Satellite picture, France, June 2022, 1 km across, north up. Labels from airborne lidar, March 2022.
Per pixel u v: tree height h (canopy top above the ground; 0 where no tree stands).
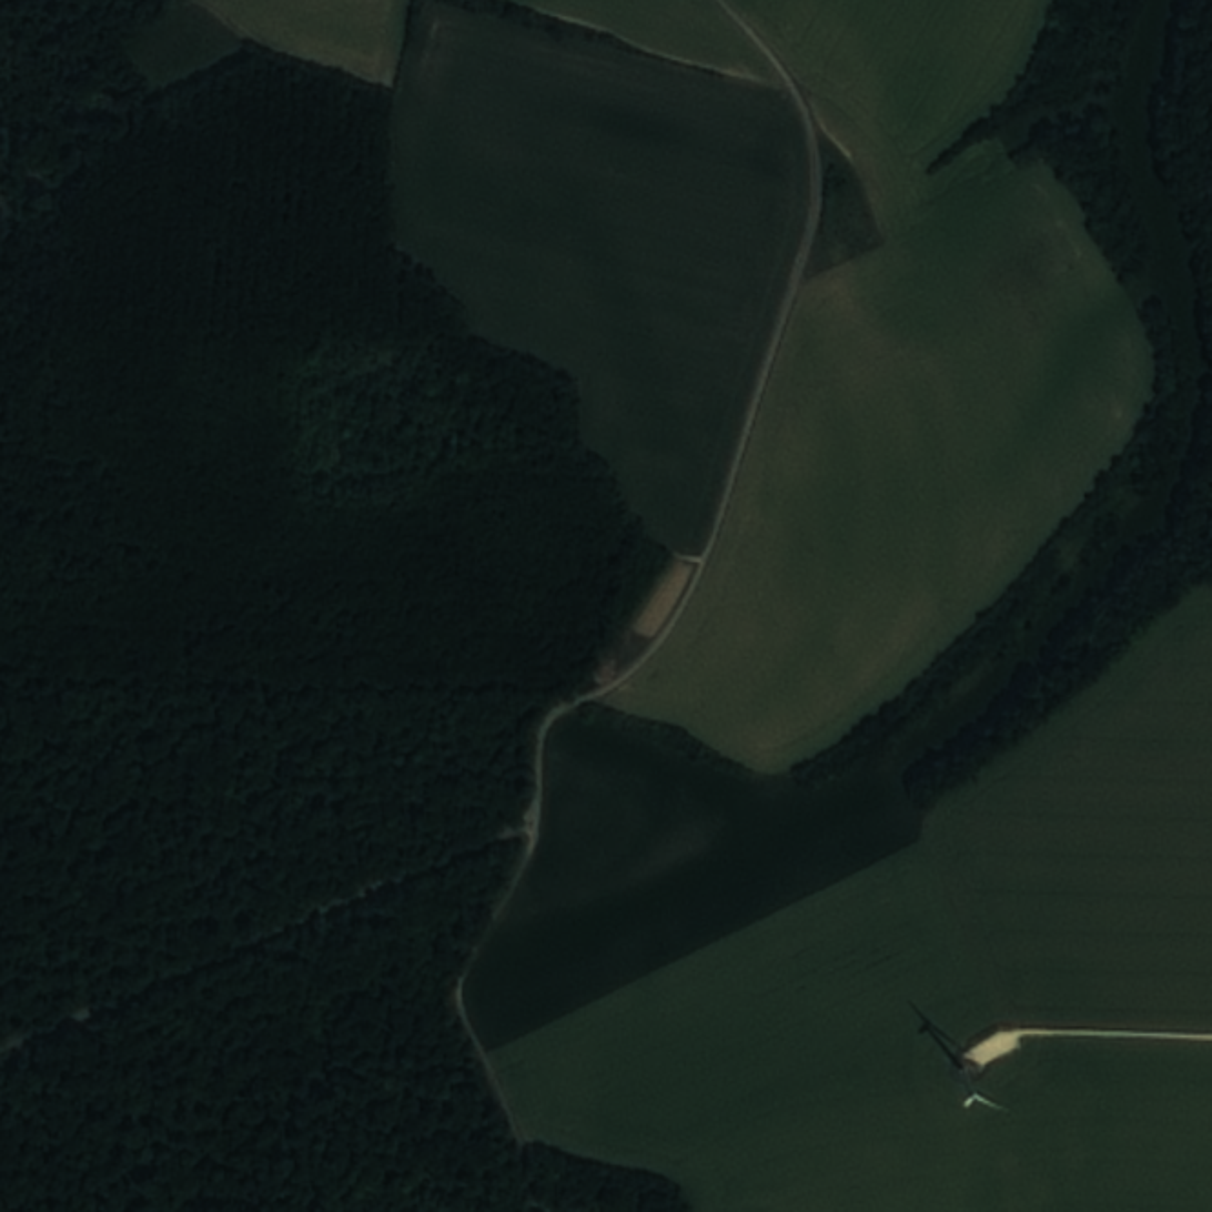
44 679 22
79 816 23
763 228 0
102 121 24
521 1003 0
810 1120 0
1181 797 0
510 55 0
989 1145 0
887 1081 0
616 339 0
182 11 0
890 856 0
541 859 0
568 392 10
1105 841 0
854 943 0
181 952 20
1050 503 0
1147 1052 0
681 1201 12
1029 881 0
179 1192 17
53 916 23
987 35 0
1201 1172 0
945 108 0
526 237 0
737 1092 0
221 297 16
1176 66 22
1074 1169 0
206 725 21
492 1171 15
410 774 24
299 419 11
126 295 17
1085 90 16
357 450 16
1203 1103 0
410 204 0
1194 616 0
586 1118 0
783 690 0
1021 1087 0
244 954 16
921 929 0
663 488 0
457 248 0
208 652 23
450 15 0
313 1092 19
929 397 0
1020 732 18
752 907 0
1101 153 23
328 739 24
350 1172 23
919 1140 0
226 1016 20
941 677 8
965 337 0
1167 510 0
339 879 20
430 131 0
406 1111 23
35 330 19
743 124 0
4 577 12
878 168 0
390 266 16
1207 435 25
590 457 16
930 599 0
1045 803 0
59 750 22
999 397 0
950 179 0
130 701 20
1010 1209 0
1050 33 14
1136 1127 0
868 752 17
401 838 21
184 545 13
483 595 13
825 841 0
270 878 22
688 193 0
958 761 22
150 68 0
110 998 17
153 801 18
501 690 19
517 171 0
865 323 0
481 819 21
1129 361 0
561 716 0
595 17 0
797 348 0
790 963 0
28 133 22
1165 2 0
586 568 14
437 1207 9
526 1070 0
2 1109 23
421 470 20
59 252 22
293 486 14
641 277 0
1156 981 0
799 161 0
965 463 0
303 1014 22
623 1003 0
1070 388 0
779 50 0
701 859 0
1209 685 0
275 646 16
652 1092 0
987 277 0
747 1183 0
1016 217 0
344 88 15
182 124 16
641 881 0
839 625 0
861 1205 0
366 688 25
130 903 21
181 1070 6
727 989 0
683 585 0
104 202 18
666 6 0
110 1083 20
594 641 13
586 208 0
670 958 0
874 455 0
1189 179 24
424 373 20
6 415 23
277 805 22
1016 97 7
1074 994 0
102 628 10
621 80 0
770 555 0
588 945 0
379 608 12
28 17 18
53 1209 21
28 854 20
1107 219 19
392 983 18
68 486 20
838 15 0
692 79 0
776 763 0
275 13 0
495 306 0
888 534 0
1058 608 0
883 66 0
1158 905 0
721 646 0
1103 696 0
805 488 0
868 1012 0
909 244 0
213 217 12
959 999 0
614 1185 19
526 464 12
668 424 0
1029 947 0
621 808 0
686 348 0
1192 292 0
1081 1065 0
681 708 0
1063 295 0
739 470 0
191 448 12
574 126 0
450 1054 19
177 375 11
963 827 0
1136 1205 0
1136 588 26
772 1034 0
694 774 0
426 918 16
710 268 0
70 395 11
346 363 9
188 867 11
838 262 0
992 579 0
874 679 0
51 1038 21
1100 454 0
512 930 0
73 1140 25
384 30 0
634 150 0
